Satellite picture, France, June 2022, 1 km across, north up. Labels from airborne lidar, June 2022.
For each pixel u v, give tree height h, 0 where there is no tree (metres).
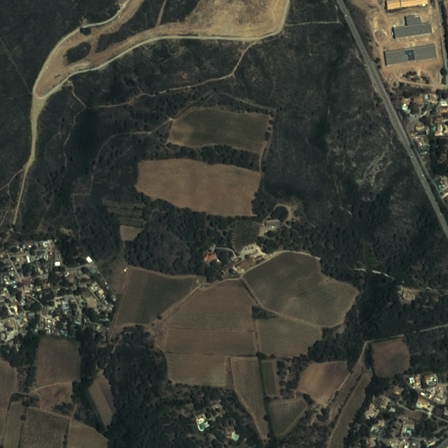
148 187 0
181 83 0
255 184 0
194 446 11
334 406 0
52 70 0
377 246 11
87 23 0
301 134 0
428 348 0
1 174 0
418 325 10
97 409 0
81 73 0
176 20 0
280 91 0
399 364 0
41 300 9
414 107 13
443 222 0
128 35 0
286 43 0
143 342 12
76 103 0
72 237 7
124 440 12
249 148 0
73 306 10
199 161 0
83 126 7
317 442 6
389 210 0
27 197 0
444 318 9
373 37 0
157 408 9
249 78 0
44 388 0
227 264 11
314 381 0
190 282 0
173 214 12
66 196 7
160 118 10
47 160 0
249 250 0
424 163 0
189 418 7
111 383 10
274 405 0
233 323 0
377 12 0
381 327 16
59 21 0
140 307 0
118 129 7
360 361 0
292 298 0
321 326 0
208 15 0
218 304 0
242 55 0
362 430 10
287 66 0
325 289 0
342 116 0
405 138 0
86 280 7
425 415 6
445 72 12
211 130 0
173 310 0
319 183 0
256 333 0
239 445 8
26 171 0
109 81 0
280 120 0
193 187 0
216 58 0
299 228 9
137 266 7
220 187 0
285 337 0
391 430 9
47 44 0
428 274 13
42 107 0
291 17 0
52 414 0
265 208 11
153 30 0
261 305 0
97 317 14
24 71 0
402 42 0
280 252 0
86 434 0
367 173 0
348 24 7
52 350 0
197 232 14
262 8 0
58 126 0
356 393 0
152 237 9
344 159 0
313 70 0
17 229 14
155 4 0
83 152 6
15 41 0
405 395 10
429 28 0
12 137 0
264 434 0
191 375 0
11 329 9
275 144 0
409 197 0
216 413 9
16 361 11
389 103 0
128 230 0
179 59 0
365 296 9
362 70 0
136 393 10
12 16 0
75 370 0
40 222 0
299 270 0
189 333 0
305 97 0
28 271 15
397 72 0
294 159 0
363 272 13
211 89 0
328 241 10
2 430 0
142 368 6
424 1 0
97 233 11
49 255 0
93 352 13
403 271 14
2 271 10
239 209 0
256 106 0
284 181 0
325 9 0
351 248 14
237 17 0
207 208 0
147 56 0
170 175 0
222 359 0
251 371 0
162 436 12
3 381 0
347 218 0
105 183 0
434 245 10
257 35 0
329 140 0
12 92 0
